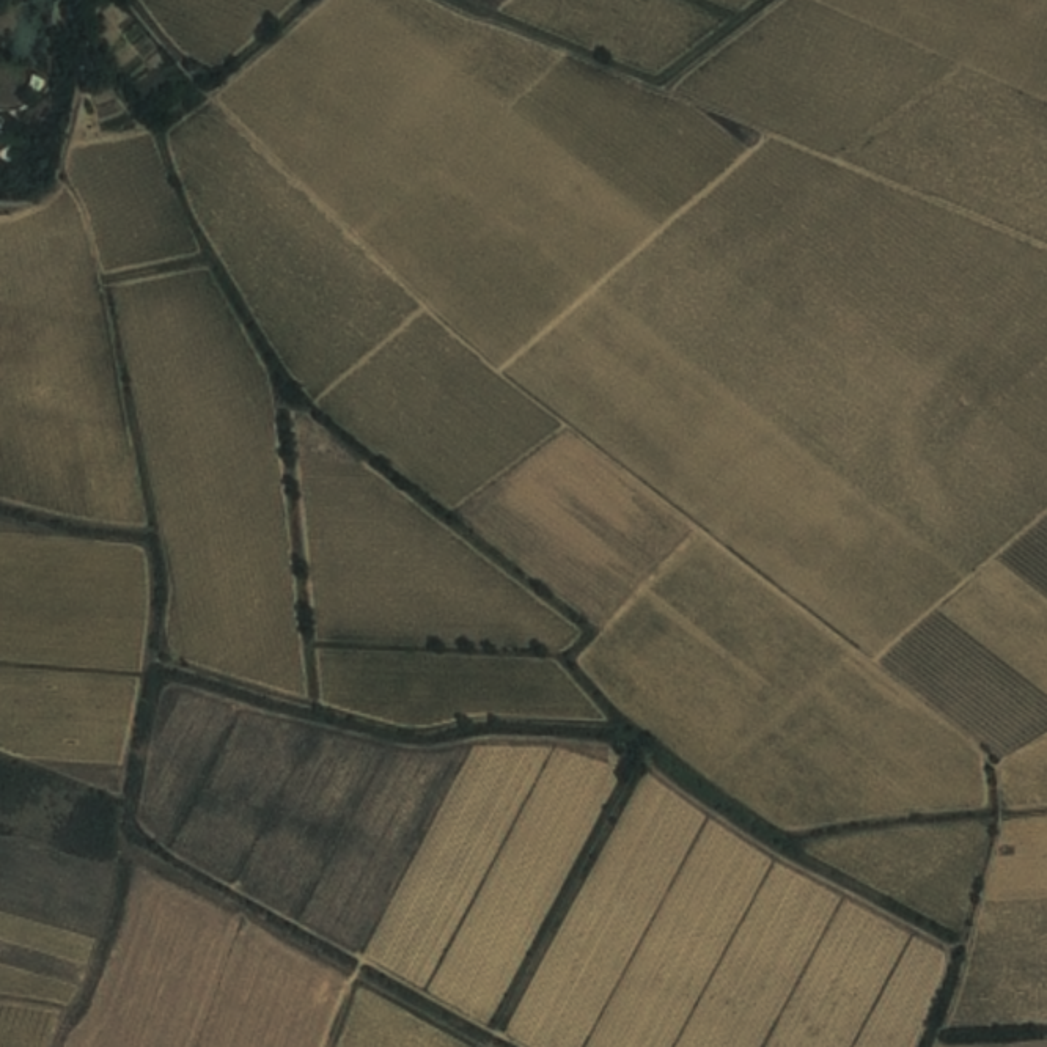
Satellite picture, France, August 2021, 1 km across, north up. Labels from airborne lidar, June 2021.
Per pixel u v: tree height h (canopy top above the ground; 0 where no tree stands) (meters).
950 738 0
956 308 0
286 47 0
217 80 15
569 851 0
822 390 0
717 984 0
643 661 0
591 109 0
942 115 0
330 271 0
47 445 0
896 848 0
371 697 0
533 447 0
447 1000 0
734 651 0
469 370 0
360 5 0
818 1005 0
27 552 0
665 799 0
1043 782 0
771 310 0
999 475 0
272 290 0
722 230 0
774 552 0
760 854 0
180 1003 0
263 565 0
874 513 0
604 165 0
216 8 0
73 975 0
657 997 0
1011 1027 7
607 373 0
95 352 0
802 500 0
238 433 0
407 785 0
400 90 0
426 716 0
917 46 0
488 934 0
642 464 0
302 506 0
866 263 0
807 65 0
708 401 0
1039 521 0
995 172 0
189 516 0
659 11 0
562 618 0
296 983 0
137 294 0
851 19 0
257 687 0
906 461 0
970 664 0
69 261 0
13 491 0
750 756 0
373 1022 0
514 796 0
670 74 0
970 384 0
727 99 0
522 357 0
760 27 0
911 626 0
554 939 0
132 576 0
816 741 0
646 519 0
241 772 0
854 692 0
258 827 0
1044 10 0
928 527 0
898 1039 0
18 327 0
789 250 0
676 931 0
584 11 0
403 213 0
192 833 0
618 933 0
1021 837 0
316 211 0
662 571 0
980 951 0
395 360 0
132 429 0
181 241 0
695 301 0
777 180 0
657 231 0
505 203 0
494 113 0
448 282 0
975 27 0
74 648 0
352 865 0
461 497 0
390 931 0
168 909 0
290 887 0
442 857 0
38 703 0
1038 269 0
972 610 0
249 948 0
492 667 0
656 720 0
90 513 0
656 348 0
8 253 0
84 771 0
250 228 0
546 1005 0
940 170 0
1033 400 0
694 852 0
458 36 0
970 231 0
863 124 0
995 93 0
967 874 0
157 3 0
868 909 0
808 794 0
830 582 0
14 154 14
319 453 0
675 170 0
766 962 0
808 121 0
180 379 0
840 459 0
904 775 0
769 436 0
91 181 0
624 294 0
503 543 0
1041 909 0
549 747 0
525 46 0
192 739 0
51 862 0
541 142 0
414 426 0
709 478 0
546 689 0
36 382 0
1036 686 0
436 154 0
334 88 0
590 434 0
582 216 0
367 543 0
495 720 12
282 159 0
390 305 0
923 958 0
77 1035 0
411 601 0
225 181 0
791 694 0
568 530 0
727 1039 0
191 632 0
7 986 0
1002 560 0
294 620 0
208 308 0
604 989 0
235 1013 0
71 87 7
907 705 0
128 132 0
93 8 26
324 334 0
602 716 0
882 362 0
